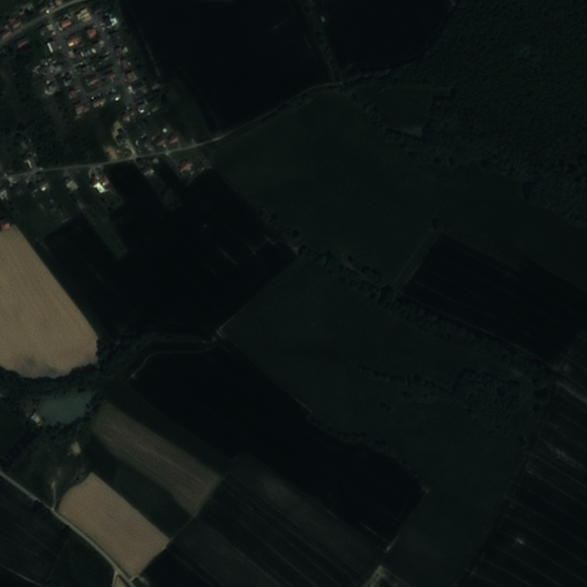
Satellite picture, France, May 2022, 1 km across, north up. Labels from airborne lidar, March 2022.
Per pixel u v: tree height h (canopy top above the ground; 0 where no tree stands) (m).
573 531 0
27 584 0
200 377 0
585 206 23
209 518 0
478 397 19
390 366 0
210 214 0
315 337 0
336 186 0
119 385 0
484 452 0
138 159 8
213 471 0
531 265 0
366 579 0
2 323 0
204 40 0
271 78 0
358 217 0
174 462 0
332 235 0
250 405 0
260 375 0
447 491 0
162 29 0
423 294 0
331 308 0
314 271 0
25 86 8
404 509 0
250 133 0
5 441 0
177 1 0
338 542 0
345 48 0
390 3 0
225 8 0
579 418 0
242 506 0
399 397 0
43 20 0
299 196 0
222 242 0
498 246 0
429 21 0
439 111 18
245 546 0
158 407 0
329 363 0
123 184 0
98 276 0
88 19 0
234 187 0
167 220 0
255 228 0
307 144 0
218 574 0
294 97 0
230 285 0
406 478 0
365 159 0
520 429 0
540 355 0
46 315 0
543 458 0
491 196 0
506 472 0
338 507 0
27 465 0
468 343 17
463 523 0
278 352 0
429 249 0
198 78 0
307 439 0
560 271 0
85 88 0
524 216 0
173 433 0
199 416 0
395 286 0
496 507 0
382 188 0
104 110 0
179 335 0
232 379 0
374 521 0
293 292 0
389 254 0
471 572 0
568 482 0
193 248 0
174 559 0
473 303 0
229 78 0
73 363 0
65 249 0
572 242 0
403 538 0
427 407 0
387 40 0
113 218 0
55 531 0
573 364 0
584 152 14
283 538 0
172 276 0
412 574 0
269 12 0
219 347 0
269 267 0
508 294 0
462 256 0
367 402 0
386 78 16
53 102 0
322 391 0
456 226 0
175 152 0
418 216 0
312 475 0
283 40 0
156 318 0
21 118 0
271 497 0
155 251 0
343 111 0
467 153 22
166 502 0
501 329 0
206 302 0
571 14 14
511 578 0
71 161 6
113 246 0
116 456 0
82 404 0
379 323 0
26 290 0
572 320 0
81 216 0
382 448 19
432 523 0
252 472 0
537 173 18
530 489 0
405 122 0
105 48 0
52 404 0
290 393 0
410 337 0
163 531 0
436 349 0
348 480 0
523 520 0
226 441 0
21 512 0
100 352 13
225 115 0
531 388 0
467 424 0
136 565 0
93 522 0
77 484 0
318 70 0
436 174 0
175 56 0
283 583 0
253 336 0
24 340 0
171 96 0
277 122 0
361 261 0
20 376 11
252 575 0
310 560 0
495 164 22
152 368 0
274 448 0
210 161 0
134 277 0
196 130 0
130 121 0
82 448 0
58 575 0
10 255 0
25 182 0
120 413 0
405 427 0
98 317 0
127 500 0
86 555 0
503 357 23
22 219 0
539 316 0
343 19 0
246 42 0
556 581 0
